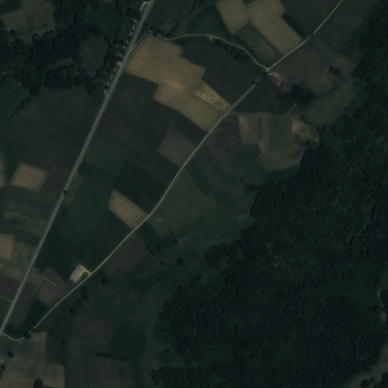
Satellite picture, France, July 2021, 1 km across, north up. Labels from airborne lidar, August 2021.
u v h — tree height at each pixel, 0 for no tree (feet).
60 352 0
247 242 51
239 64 0
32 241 0
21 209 0
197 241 0
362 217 89
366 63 75
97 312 0
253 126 0
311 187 68
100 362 0
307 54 0
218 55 0
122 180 0
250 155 0
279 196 52
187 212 0
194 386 67
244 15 0
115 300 0
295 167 0
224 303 57
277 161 0
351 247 84
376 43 56
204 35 0
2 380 0
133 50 0
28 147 0
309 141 38
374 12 54
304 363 55
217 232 0
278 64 0
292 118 0
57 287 0
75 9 26
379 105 35
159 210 0
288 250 73
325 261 52
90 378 0
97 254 0
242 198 0
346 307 66
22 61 65
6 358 0
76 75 37
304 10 0
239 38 26
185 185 0
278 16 0
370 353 58
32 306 0
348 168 92
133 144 0
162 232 0
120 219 0
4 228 0
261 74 0
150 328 0
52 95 0
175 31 31
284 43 0
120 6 70
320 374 82
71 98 0
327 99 0
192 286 56
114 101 0
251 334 79
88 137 0
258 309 98
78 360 0
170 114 0
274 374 35
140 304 0
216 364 40
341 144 0
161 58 0
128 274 0
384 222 56
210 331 71
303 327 53
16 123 0
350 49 0
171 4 0
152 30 52
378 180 55
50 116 0
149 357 0
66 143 0
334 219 67
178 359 0
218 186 0
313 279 87
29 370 0
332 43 0
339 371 58
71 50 51
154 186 0
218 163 0
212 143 0
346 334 23
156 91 0
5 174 0
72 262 0
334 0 0
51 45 62
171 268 0
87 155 0
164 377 33
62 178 0
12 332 0
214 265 58
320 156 73
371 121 67
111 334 0
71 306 0
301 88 49
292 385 57
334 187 97
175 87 0
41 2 0
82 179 0
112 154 0
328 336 64
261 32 0
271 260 56
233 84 0
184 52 0
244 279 62
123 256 0
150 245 33
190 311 84
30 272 0
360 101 0
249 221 0
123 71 0
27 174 0
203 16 0
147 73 0
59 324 0
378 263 50
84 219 0
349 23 0
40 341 0
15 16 0
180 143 0
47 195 0
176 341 20
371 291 0
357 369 69
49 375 0
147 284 0
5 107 0
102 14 0
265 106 0
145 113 0
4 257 0
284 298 102
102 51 0
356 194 75
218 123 0
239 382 36
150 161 0
